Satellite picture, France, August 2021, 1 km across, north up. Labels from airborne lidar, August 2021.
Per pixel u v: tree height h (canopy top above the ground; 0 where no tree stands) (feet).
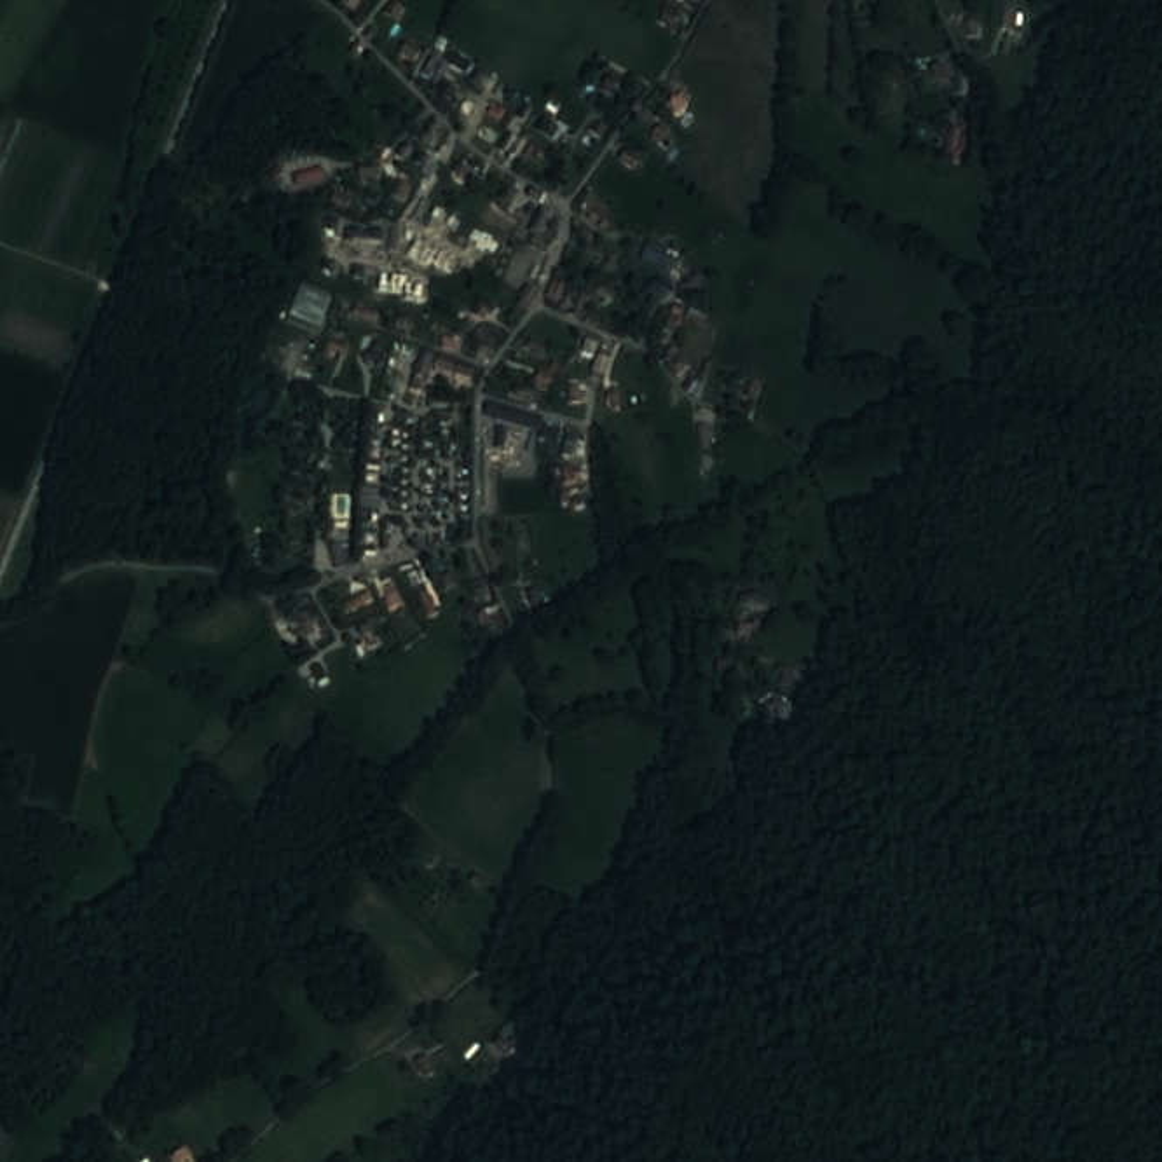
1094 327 50
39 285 0
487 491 0
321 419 39
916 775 74
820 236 0
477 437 0
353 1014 46
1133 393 75
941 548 39
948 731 59
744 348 0
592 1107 71
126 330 83
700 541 55
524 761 0
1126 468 98
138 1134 26
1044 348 56
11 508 0
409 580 0
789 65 60
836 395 0
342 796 95
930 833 77
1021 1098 73
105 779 0
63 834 76
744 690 44
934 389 80
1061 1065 81
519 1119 68
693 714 73
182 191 21
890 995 80
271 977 75
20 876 84
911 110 28
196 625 0
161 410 93
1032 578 46
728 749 0
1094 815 60
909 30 0
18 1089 67
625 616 0
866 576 51
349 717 0
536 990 40
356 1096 0
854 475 0
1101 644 54
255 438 52
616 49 0
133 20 0
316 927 39
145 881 70
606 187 0
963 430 79
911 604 58
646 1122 77
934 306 0
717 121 0
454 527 28
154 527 25
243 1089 0
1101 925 75
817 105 0
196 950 82
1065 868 82
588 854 0
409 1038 0
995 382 48
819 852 75
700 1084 62
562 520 0
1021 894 81
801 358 0
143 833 0
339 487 0
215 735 0
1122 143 66
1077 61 84
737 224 0
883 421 69
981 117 50
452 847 0
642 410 19
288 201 75
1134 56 85
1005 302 67
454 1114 40
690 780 51
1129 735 85
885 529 47
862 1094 64
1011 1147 83
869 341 0
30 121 0
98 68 0
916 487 80
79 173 0
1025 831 71
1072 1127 80
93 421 80
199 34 24
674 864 103
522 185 0
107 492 68
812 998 73
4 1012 56
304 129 85
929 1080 77
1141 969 68
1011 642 92
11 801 64
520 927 66
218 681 32
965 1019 91
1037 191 63
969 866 87
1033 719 58
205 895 84
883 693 92
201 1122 0
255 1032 72
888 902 70
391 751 0
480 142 0
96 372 65
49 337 0
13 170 0
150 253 74
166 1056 85
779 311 0
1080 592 54
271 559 39
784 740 81
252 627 0
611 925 80
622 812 0
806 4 0
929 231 45
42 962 81
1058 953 68
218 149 75
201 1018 84
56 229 0
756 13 0
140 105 30
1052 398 71
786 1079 64
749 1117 63
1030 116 43
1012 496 68
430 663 0
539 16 0
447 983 0
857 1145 85
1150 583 89
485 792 0
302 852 81
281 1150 0
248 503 0
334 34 0
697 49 0
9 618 57
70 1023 76
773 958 120
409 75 19
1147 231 69
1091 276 68
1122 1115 82
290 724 0
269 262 20
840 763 78
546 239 0
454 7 49
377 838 86
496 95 0
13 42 0
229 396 55
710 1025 101
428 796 0
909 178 0
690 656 56
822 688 78
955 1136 98
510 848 0
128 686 0
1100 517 84
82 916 64
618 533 45
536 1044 99
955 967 79
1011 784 78
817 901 89
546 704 68
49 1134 0
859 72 26
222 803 78
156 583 0
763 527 33
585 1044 83
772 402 0
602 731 0
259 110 81
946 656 82
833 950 86
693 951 96
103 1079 0
